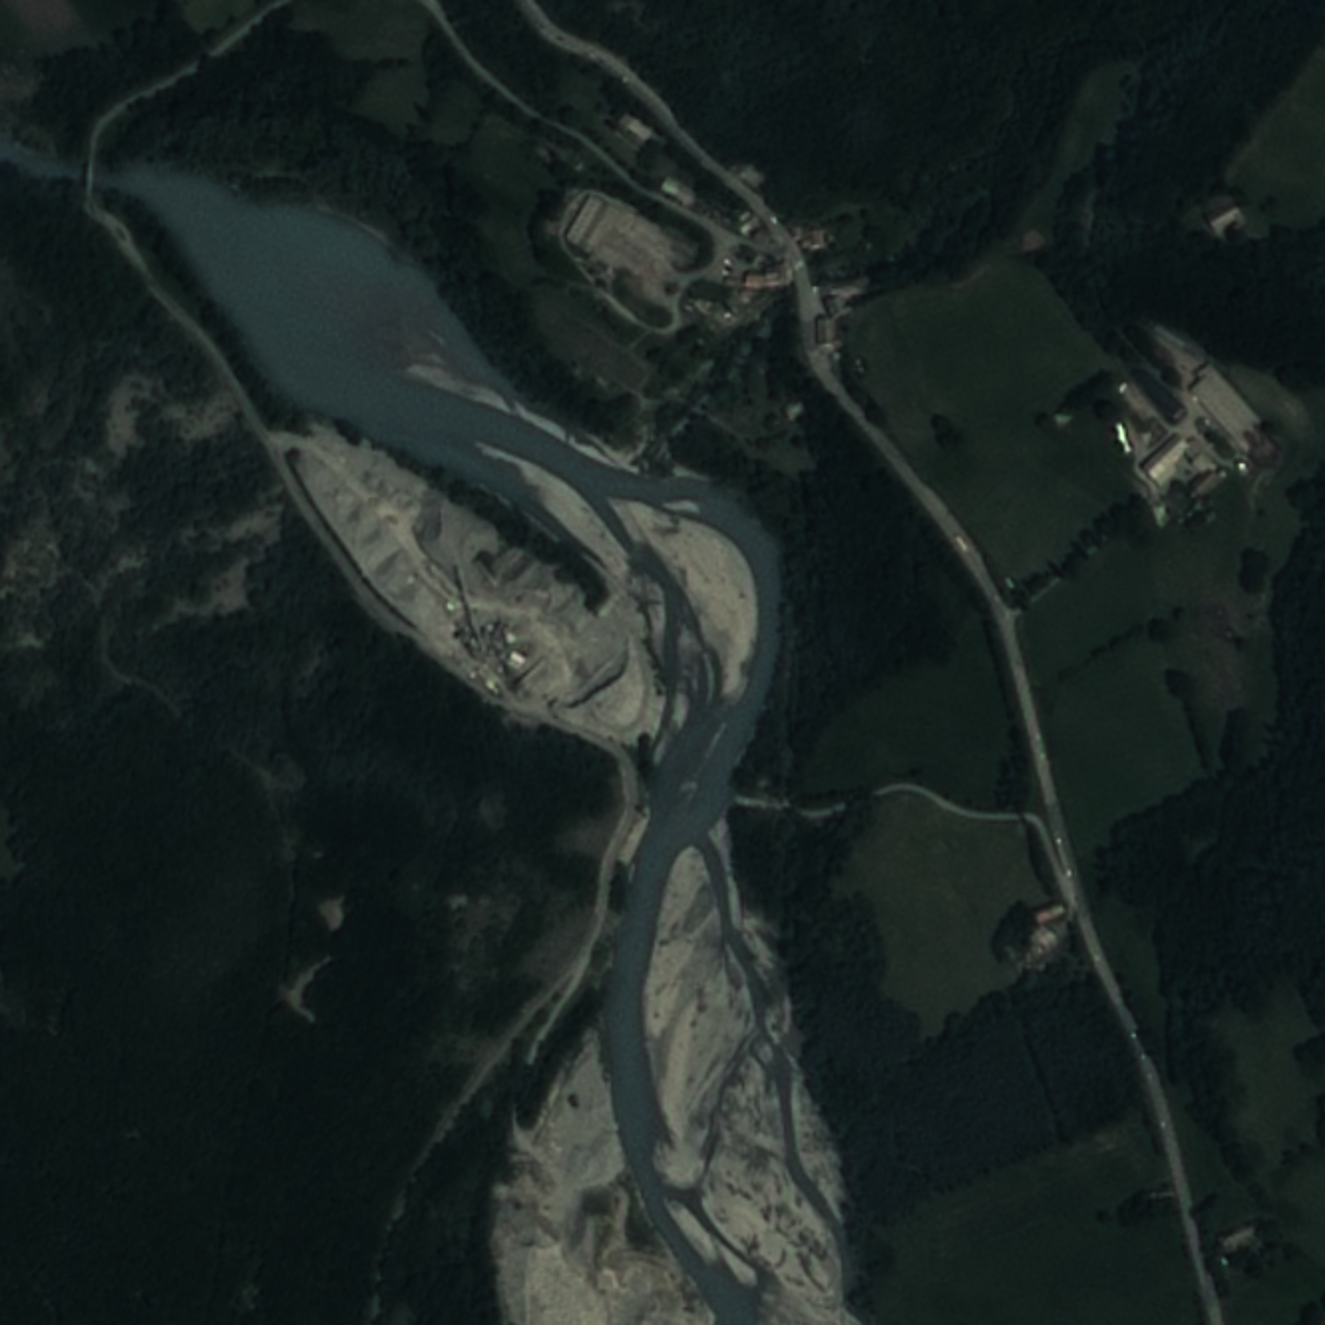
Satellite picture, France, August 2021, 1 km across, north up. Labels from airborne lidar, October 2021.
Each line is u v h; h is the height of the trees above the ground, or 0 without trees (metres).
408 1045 20
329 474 0
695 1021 0
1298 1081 0
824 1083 9
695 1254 0
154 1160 20
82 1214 21
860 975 12
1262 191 0
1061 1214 0
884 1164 15
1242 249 20
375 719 14
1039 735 0
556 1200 0
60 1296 21
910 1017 8
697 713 0
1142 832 13
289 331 0
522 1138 0
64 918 15
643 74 8
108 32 0
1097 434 0
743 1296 0
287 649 12
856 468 25
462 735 17
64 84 19
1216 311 29
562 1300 0
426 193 22
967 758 0
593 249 0
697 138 9
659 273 0
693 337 10
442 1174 12
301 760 16
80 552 12
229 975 12
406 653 15
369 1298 10
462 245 14
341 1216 19
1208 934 13
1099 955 0
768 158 13
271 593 10
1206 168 19
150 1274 21
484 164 0
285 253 0
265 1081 22
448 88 7
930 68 15
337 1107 21
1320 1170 0
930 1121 16
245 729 12
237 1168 20
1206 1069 14
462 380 0
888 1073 17
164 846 18
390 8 0
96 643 9
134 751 14
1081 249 12
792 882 17
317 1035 21
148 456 8
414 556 0
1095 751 0
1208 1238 15
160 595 7
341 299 0
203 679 12
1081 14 16
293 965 12
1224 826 11
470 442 0
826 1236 0
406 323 0
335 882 18
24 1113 19
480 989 6
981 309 0
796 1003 12
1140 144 23
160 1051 13
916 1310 0
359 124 17
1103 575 0
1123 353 10
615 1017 0
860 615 16
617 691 0
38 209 17
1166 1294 0
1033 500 0
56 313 7
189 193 0
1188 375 0
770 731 8
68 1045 16
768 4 12
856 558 15
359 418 0
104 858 19
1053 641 0
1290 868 14
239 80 12
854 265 6
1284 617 20
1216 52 29
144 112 18
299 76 16
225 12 0
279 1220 22
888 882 0
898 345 0
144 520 12
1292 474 0
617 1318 0
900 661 11
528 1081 16
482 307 15
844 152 11
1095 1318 0
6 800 14
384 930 16
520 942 13
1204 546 0
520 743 13
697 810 0
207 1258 17
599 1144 0
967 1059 14
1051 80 11
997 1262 0
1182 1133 0
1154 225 16
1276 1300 0
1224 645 0
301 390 0
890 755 0
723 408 8
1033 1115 18
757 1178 0
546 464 0
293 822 13
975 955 0
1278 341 28
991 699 0
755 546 0
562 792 9
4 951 17
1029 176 11
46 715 11
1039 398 0
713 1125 0
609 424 14
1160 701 0
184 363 10
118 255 11
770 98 13
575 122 16
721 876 0
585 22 14
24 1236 20
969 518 0
